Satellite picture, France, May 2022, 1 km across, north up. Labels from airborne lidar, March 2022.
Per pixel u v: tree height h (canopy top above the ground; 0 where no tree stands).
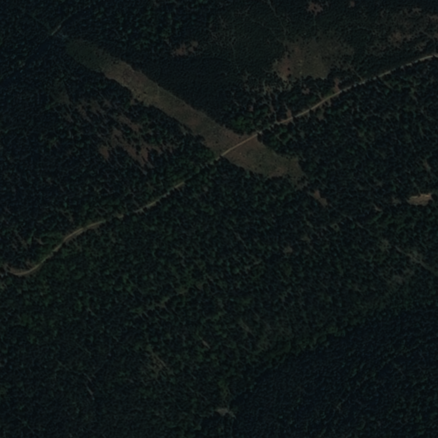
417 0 15
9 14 22
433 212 27
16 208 30
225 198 31
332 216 19
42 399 31
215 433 30
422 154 23
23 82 21
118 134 0
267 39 7
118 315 33
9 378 22
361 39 7
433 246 11
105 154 0
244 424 25
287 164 0
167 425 23
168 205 15
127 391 23
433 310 23
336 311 32
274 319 27
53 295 20
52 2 22
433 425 20
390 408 24
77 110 7
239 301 28
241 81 6
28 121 20
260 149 0
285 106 7
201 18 21
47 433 26
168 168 24
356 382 22
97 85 21
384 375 28
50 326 21
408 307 25
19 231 26
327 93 13
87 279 22
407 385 19
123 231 17
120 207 20
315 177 17
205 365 26
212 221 22
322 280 27
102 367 24
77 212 19
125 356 18
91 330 29
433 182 7
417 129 30
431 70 7
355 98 30
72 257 13
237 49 6
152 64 15
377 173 21
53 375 29
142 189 23
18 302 18
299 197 32
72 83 23
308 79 10
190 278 22
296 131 33
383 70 9
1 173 18
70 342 28
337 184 20
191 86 11
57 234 16
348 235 29
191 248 16
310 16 8
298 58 0
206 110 14
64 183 13
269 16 6
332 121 31
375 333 31
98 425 26
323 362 32
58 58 25
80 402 22
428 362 13
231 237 15
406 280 12
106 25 16
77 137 25
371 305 10
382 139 14
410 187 25
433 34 6
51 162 29
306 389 17
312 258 18
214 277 13
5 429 16
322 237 37
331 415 24
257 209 22
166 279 19
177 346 27
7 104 31
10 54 25
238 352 22
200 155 23
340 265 14
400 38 0
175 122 16
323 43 0
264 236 34
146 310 14
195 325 27
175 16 22
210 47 7
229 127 11
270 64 7
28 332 22
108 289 26
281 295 21
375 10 13
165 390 28
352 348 31
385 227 21
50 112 12
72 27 18
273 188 20
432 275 13
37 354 26
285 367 35
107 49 15
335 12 8
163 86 10
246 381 26
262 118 17
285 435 25
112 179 23
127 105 12
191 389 27
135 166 24
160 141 19
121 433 26
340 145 34
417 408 17
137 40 30
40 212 26
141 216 20
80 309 17
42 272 15
